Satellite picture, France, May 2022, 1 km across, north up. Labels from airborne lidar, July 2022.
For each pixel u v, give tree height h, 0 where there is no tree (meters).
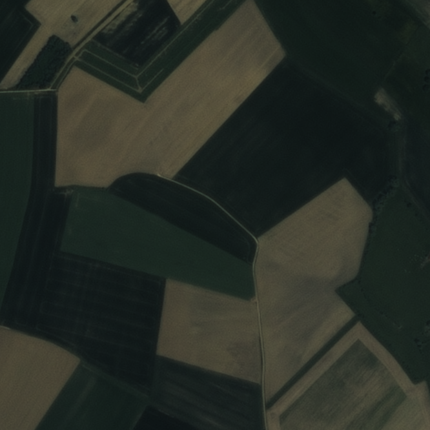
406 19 0
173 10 0
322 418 0
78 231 0
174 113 0
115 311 0
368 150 0
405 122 0
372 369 0
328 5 0
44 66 16
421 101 0
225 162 0
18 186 0
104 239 0
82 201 0
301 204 0
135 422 0
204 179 0
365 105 0
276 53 0
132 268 0
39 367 0
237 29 0
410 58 0
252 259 0
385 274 0
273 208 0
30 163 0
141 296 0
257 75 0
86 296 0
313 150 0
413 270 0
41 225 0
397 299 0
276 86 0
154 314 0
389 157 0
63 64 14
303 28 0
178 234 0
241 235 0
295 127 0
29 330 0
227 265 0
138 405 0
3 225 0
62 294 0
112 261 0
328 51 0
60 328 0
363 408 0
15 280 0
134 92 0
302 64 0
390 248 0
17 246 0
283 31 0
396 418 0
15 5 0
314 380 0
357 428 0
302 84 0
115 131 0
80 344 0
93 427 0
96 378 0
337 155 0
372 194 0
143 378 0
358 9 0
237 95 0
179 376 0
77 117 0
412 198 0
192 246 0
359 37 0
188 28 0
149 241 0
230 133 0
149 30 0
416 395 0
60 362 0
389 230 0
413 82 0
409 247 0
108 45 0
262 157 0
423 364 0
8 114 0
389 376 0
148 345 0
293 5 0
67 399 0
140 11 0
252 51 0
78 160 0
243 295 0
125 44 0
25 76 10
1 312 0
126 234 0
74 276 0
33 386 0
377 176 0
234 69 0
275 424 0
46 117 0
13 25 0
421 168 0
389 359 0
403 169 0
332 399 0
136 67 0
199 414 0
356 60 0
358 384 0
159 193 0
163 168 0
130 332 0
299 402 0
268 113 0
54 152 0
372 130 0
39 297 0
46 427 0
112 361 0
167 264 0
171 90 0
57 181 0
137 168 0
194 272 0
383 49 0
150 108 0
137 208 0
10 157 0
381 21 0
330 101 0
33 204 0
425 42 0
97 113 0
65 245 0
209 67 0
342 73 0
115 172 0
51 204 0
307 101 0
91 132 0
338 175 0
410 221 0
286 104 0
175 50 0
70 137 0
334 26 0
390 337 0
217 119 0
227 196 0
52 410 0
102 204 0
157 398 0
